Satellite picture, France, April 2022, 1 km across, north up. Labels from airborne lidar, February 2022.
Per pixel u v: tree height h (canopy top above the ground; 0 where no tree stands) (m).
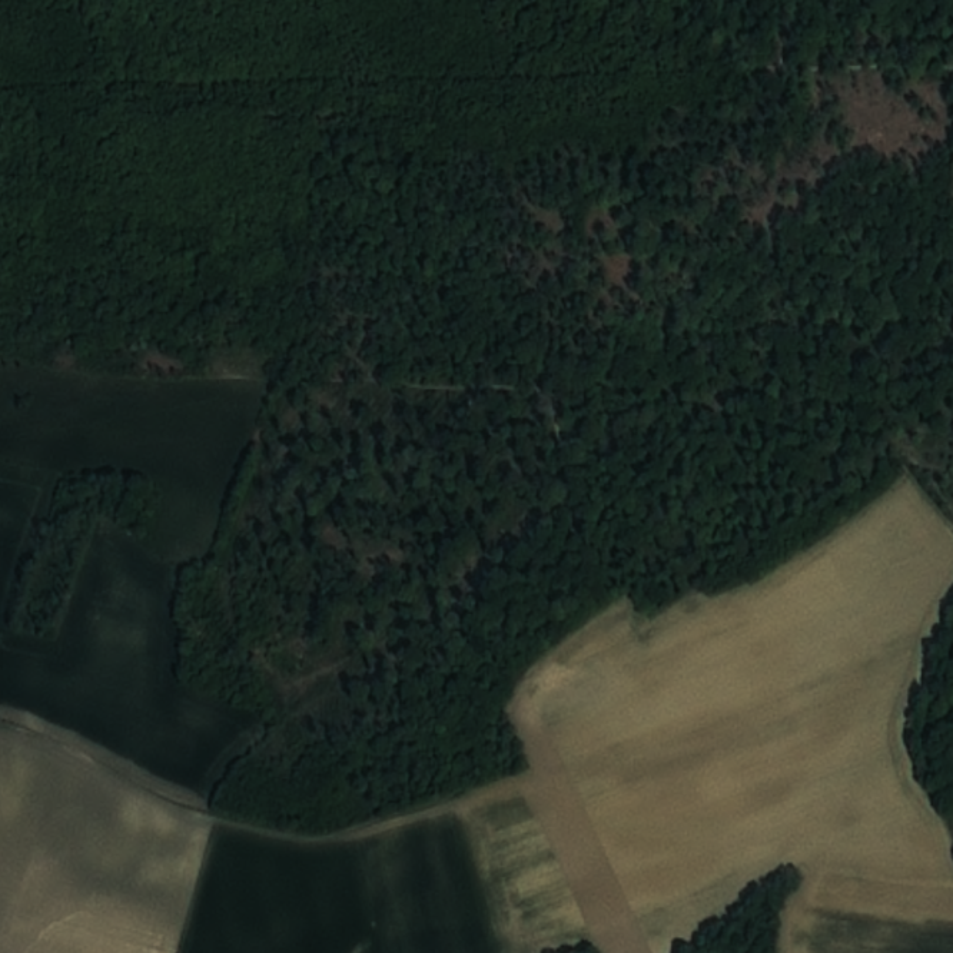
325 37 14
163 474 0
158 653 0
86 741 0
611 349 30
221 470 0
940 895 0
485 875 0
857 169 25
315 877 0
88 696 0
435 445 27
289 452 29
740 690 0
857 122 0
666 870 0
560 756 0
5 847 0
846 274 31
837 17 29
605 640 0
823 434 32
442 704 23
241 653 30
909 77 22
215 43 20
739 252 22
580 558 32
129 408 0
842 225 29
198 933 0
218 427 0
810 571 0
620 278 0
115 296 25
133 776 0
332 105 20
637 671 0
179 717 0
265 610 8
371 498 39
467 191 20
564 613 34
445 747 27
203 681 21
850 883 0
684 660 0
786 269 27
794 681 0
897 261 32
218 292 12
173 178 22
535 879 0
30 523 0
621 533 29
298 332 17
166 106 12
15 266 12
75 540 18
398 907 0
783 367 33
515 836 0
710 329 33
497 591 32
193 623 6
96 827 0
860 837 0
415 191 20
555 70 16
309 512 35
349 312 22
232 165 19
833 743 0
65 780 0
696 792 0
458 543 27
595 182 33
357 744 21
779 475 29
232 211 18
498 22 13
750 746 0
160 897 0
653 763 0
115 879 0
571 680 0
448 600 33
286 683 0
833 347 30
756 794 0
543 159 19
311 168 17
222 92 12
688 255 31
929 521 0
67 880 0
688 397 32
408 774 7
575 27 21
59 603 22
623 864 0
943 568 0
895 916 0
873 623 0
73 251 13
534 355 30
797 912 0
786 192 13
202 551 0
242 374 0
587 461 30
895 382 30
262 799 13
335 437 0
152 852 0
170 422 0
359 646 32
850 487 29
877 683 0
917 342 30
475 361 28
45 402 0
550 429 34
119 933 0
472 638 29
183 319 13
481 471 29
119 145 22
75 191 14
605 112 13
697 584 16
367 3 13
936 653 25
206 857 0
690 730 0
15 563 0
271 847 0
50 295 19
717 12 33
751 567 18
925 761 20
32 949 0
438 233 31
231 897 0
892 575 0
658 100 11
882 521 0
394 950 0
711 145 27
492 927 0
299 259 20
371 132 10
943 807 27
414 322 30
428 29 12
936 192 23
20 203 19
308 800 11
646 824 0
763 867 0
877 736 0
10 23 14
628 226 31
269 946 0
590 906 0
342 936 0
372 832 0
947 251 28
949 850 0
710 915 0
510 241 22
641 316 28
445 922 0
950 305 31
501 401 26
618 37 17
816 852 0
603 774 0
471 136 7
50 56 14
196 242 11
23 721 0
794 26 29
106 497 13
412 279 33
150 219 16
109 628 0
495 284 23
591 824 0
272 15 21
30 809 0
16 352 6
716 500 30
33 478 0
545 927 0
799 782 0
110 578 0
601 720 0
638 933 0
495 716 22
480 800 0
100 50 15
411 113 7
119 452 0
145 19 25
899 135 0
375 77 15
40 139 14
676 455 29
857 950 0
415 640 35
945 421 22
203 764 0
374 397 0
